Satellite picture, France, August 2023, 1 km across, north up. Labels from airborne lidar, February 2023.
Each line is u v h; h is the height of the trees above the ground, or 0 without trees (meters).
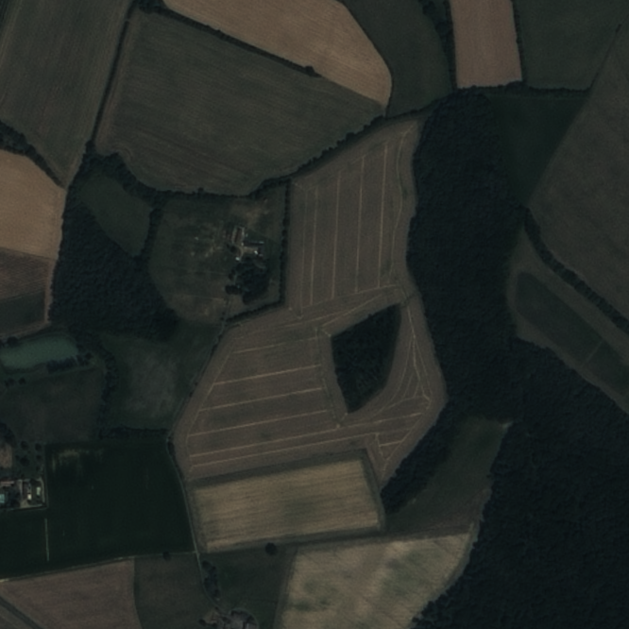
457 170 18
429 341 0
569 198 0
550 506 16
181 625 0
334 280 0
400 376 0
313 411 0
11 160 0
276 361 0
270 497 0
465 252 19
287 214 6
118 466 0
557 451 16
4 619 0
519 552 20
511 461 15
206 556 0
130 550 0
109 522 0
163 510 0
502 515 16
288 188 6
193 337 0
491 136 16
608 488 18
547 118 0
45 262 0
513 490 16
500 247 20
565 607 15
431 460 20
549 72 0
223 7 0
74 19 0
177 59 0
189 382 0
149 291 19
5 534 0
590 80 0
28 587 0
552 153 0
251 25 0
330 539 0
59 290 14
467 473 0
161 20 0
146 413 0
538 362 20
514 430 11
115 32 0
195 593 0
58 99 0
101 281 14
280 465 0
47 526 0
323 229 0
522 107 0
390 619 0
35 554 0
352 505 0
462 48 0
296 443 0
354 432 0
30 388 0
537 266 0
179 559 0
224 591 0
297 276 0
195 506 0
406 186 0
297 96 0
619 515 15
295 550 0
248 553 0
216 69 0
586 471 14
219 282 0
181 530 0
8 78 0
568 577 13
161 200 10
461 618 20
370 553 0
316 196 0
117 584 0
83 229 15
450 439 21
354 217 0
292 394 0
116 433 12
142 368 0
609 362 0
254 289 12
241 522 0
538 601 20
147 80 0
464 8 0
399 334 0
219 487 0
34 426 0
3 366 0
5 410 0
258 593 0
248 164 0
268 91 0
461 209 21
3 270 0
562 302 0
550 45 0
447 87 0
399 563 0
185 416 0
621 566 15
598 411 17
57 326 14
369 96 0
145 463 0
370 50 0
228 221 0
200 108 0
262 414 0
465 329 19
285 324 0
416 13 0
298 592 0
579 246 0
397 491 13
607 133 0
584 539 13
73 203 11
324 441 0
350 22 0
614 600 18
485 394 22
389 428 0
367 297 0
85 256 18
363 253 0
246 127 0
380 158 0
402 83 0
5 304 0
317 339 0
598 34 0
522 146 0
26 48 0
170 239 0
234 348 0
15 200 0
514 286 0
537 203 0
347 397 14
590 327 0
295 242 0
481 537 8
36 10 0
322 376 0
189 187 0
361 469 0
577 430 19
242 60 0
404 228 0
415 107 0
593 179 0
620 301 0
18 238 0
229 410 0
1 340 0
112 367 18
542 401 20
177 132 0
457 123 22
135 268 14
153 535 0
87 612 0
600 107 0
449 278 21
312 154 0
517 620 13
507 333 17
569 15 0
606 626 19
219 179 0
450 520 0
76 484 0
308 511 0
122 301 18
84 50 0
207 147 0
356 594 0
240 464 0
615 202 0
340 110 0
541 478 11
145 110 0
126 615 0
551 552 12
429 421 0
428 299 13
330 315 0
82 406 0
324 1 0
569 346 0
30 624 0
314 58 0
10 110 0
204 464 0
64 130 0
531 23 0
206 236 0
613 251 0
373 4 0
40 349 0
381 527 0
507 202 16
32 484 6
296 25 0
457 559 0
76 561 0
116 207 0
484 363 21
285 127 0
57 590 0
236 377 0
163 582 0
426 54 0
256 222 0
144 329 16
